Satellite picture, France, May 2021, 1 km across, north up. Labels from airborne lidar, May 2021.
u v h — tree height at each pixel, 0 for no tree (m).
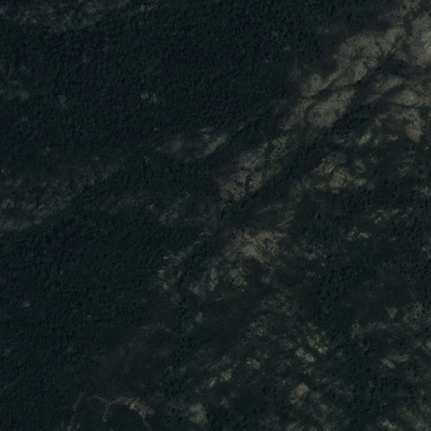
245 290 6
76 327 16
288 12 7
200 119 17
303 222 7
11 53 12
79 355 18
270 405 15
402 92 0
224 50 13
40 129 12
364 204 12
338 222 16
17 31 9
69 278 6
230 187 0
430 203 20
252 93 9
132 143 7
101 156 6
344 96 0
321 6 17
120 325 7
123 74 15
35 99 13
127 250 10
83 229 18
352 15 17
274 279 0
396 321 12
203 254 9
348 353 28
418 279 20
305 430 8
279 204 0
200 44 16
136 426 6
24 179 6
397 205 8
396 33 0
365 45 0
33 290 11
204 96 10
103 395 6
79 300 16
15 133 6
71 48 7
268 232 0
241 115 13
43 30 7
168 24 7
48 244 9
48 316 11
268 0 10
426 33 0
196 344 6
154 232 14
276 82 13
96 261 6
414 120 0
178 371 6
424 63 0
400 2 0
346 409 8
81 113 6
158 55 8
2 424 11
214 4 14
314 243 11
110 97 6
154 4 14
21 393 10
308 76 0
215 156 15
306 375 8
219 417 11
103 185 18
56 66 14
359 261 7
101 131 16
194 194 6
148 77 15
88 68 9
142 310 8
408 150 10
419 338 19
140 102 6
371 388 8
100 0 11
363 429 6
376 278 8
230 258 0
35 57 6
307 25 6
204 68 10
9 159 6
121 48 9
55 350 7
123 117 11
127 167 13
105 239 13
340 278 36
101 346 13
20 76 10
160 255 6
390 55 7
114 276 7
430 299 24
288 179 11
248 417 17
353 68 0
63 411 10
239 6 10
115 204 11
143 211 8
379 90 0
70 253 11
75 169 5
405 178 8
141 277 12
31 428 12
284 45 8
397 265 16
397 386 17
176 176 15
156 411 8
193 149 6
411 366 13
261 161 0
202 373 6
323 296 31
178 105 6
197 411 0
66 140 6
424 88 0
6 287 9
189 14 18
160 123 8
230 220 6
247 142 7
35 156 9
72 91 14
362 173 6
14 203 11
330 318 15
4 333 7
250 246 0
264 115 11
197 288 0
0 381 15
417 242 16
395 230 11
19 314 12
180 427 8
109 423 8
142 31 8
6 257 10
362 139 0
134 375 6
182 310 20
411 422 0
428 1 0
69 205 11
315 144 16
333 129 14
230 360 0
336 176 0
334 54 0
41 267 9
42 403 7
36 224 7
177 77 12
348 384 6
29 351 9
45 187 10
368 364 6
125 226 14
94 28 13
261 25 19
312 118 0
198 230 6
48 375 8
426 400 17
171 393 6
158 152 8
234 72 16
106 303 26
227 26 6
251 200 17
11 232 9
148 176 17
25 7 7
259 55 14
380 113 0
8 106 16
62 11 5
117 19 11
